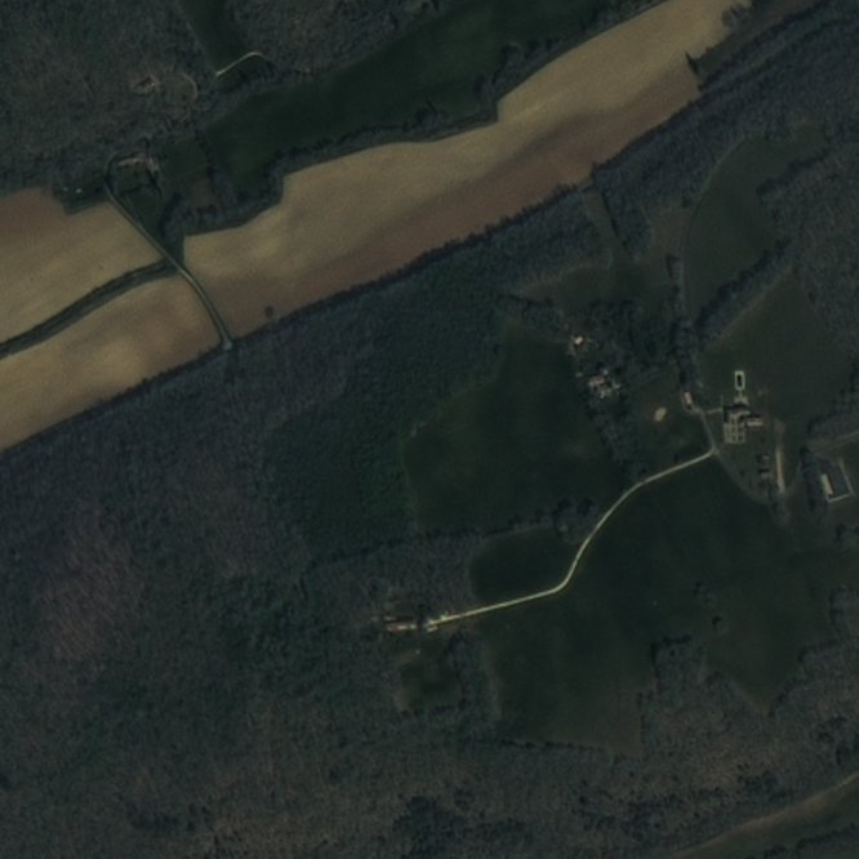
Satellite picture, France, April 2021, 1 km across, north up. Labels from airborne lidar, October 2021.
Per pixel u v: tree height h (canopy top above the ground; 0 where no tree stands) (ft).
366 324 53
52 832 60
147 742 83
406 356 51
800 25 52
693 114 45
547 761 65
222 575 62
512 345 0
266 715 52
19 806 62
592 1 0
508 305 56
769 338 0
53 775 76
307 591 64
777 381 0
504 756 68
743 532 0
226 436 62
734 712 69
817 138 0
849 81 49
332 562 37
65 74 55
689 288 0
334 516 52
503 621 0
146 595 43
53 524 60
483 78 0
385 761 65
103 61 53
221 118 69
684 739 22
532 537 0
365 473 56
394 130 31
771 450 0
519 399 0
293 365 32
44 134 55
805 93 51
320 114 0
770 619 0
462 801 52
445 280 70
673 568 0
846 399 33
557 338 63
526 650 0
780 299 0
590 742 0
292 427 22
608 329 43
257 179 0
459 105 0
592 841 25
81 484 55
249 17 40
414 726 66
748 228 0
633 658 0
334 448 39
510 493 0
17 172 58
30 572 37
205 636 47
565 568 0
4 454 0
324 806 35
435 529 0
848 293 46
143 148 51
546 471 0
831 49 43
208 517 69
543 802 65
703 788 24
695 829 41
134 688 43
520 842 37
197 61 74
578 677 0
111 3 74
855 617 0
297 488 41
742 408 0
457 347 50
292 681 65
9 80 79
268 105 0
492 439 0
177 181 0
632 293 0
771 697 0
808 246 58
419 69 0
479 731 81
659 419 0
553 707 0
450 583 73
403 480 53
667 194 58
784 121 44
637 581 0
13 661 52
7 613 45
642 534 0
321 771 41
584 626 0
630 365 42
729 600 0
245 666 55
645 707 51
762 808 59
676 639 0
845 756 49
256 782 43
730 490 0
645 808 35
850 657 62
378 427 54
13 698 73
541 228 58
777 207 56
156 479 47
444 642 0
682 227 0
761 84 43
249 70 0
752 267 0
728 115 40
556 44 27
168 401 49
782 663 0
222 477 60
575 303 0
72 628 52
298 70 49
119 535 32
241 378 24
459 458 0
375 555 53
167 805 70
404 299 47
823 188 33
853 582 0
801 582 0
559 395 0
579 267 33
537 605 0
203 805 44
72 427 37
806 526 0
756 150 0
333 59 39
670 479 0
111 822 73
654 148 53
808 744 53
